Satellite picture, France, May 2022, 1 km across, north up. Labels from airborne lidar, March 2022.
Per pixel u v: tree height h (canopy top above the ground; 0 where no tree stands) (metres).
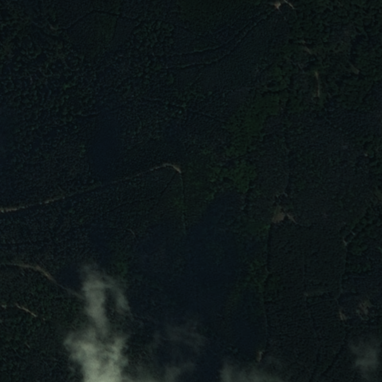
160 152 9
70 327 15
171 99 26
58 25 15
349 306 29
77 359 22
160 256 23
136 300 25
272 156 25
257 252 14
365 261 32
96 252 27
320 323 24
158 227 23
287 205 21
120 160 16
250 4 15
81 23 18
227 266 16
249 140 27
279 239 20
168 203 18
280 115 25
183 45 21
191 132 22
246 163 26
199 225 14
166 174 13
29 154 27
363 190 25
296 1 19
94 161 16
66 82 33
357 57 30
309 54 8
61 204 13
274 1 14
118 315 26
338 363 25
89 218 22
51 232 19
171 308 20
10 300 14
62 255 28
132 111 23
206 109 26
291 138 24
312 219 24
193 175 14
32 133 30
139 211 11
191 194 17
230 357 32
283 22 23
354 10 30
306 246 27
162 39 29
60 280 11
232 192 30
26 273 25
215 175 27
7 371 28
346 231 21
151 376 20
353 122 27
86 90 12
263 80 27
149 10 26
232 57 17
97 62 16
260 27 10
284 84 27
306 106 21
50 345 23
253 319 18
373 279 30
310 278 24
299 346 22
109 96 24
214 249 15
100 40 13
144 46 32
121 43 16
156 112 21
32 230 27
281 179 22
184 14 22
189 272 19
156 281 16
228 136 23
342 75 6
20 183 31
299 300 24
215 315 20
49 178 31
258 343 20
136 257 25
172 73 21
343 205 24
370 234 27
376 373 20
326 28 32
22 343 14
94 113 18
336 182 26
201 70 20
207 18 19
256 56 9
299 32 27
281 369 21
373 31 33
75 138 28
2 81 33
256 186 22
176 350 23
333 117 27
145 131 22
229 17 13
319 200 25
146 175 8
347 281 29
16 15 7
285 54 28
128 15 23
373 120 31
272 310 24
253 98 24
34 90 24
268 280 20
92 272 22
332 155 29
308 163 27
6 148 33
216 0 20
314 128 29
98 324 18
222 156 24
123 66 27
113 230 12
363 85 30
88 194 11
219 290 14
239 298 13
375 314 23
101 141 18
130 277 18
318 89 9
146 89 19
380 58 31
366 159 29
